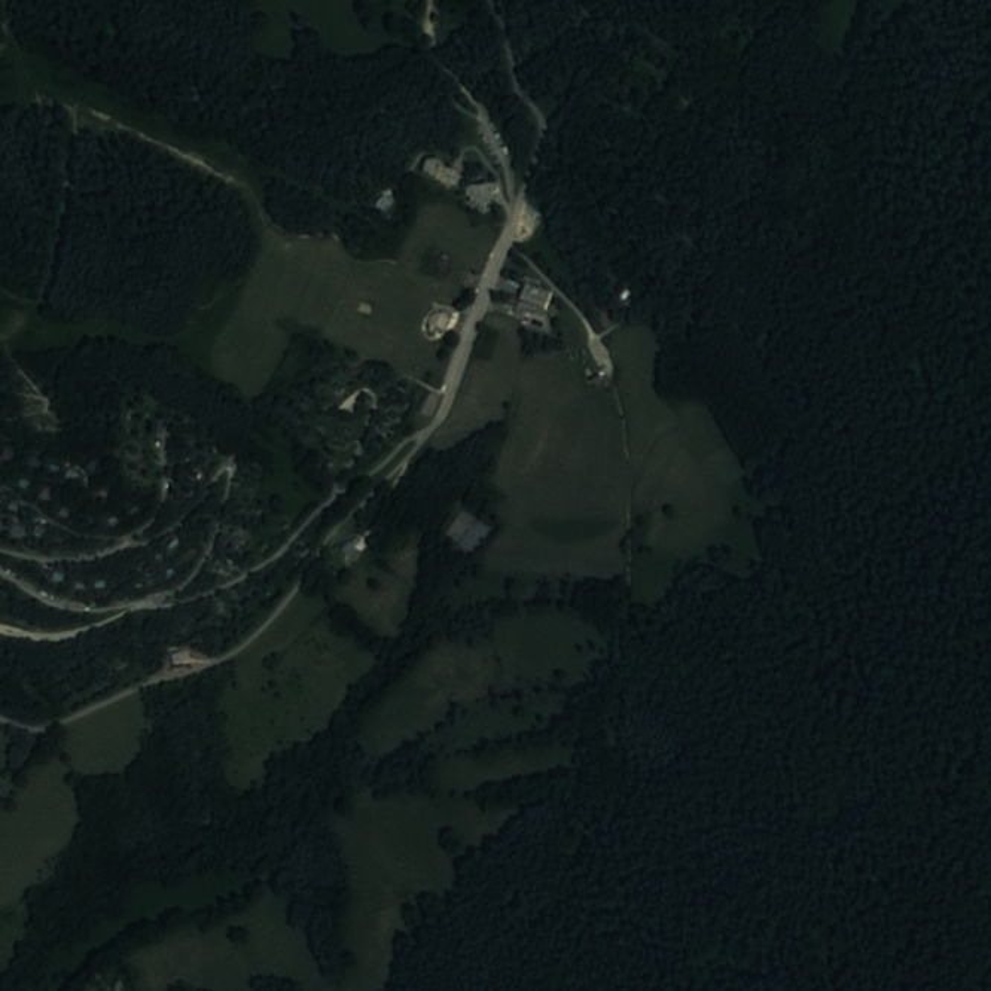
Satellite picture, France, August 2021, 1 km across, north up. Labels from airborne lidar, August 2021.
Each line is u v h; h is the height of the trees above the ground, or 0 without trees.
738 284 24
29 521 14
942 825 26
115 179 29
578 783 17
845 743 21
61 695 10
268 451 11
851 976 27
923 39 13
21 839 0
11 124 23
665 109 25
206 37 25
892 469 21
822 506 26
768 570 14
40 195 31
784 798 24
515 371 0
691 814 26
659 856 23
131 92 16
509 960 16
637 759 15
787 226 26
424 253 0
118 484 18
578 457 0
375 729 0
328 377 9
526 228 0
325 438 7
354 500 14
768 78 23
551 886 24
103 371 27
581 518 0
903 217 25
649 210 27
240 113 26
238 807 14
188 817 20
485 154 0
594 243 21
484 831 0
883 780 25
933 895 25
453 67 20
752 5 23
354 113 25
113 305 27
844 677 21
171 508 13
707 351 20
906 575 20
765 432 18
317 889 15
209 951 0
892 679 24
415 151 15
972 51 29
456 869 7
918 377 24
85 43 24
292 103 22
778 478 15
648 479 0
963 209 25
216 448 7
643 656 15
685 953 25
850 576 24
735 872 27
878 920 26
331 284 0
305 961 0
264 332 0
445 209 0
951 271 25
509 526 0
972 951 26
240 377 0
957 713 29
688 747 18
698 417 0
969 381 26
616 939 21
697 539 0
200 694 14
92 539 6
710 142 22
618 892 22
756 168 26
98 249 28
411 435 8
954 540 22
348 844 0
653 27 27
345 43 0
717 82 25
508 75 24
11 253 28
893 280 20
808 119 26
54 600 0
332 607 9
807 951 27
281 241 0
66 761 15
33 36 22
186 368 29
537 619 0
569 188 22
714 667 22
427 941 26
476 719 0
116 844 18
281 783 18
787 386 21
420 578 12
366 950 0
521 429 0
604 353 0
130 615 8
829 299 23
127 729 0
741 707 22
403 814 0
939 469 16
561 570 0
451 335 15
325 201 13
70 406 18
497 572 0
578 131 24
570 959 16
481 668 0
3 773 11
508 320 0
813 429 26
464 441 9
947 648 27
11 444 9
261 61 18
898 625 29
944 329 23
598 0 18
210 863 16
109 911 22
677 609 16
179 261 27
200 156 0
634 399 0
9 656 11
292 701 0
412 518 18
